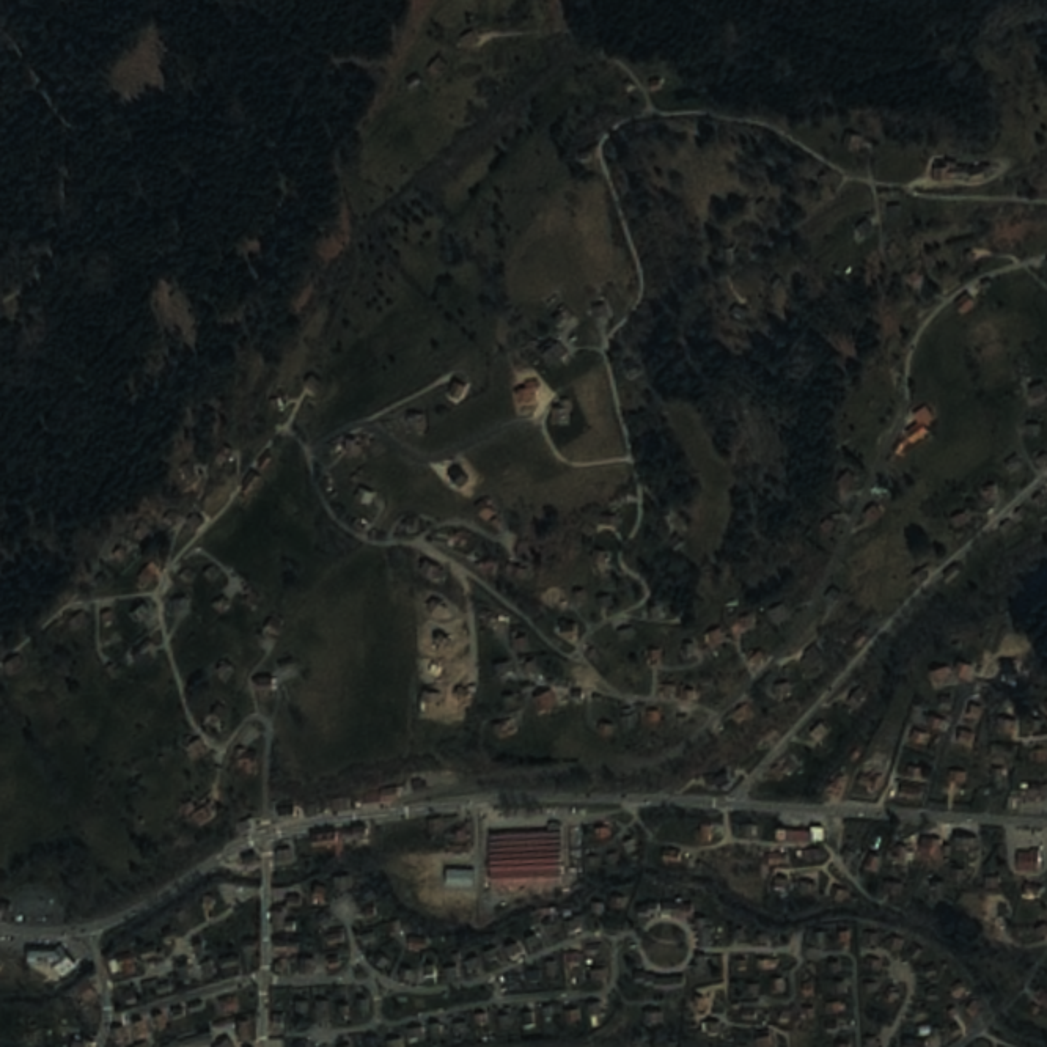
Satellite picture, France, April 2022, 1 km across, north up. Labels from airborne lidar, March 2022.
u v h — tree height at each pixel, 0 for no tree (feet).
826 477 90
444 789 0
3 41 103
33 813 0
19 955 0
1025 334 0
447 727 0
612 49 79
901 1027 0
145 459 90
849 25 75
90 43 83
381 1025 0
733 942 0
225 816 54
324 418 0
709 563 44
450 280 31
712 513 0
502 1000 0
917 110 39
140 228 76
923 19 84
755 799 0
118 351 85
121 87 0
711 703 0
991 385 0
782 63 55
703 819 47
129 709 0
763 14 69
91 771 23
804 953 0
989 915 0
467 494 0
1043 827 0
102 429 82
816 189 40
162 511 22
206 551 0
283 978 0
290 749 0
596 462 0
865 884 0
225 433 21
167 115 66
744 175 32
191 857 45
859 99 57
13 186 56
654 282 20
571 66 20
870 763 0
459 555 0
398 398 0
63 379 84
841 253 0
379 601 0
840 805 0
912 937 53
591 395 0
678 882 35
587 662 0
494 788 42
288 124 33
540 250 0
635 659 28
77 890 43
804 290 73
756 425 0
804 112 48
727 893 27
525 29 0
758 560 38
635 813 0
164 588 0
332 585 0
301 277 107
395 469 0
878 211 0
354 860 51
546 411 0
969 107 43
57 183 69
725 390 50
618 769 0
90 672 0
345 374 0
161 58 55
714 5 80
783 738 0
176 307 0
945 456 0
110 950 29
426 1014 0
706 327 64
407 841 0
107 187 58
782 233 20
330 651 0
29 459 73
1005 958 62
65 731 26
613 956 0
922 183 0
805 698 22
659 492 38
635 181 42
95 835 0
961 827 0
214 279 46
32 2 84
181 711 27
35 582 111
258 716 0
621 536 0
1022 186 57
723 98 98
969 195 0
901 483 39
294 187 27
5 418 76
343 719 0
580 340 0
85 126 60
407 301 0
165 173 75
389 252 23
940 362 0
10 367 73
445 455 0
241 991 0
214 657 0
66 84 96
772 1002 0
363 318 0
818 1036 0
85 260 65
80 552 23
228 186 71
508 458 0
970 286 0
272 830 0
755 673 0
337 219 23
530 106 33
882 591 0
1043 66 69
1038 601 98
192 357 74
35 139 79
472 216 0
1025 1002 0
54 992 30
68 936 0
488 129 28
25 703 0
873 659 38
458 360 0
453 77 0
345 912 0
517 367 0
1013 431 0
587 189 0
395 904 26
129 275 58
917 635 58
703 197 0
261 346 41
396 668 0
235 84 64
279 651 0
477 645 0
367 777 24
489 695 0
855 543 0
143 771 0
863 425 0
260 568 0
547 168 0
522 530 0
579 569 0
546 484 0
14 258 63
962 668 0
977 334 0
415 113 0
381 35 83
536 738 0
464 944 47
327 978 0
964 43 56
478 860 0
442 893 0
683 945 21
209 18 70
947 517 25
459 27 0
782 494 25
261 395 24
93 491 94
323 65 49
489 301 26
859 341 42
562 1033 51
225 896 0
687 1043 21
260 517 0
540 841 0
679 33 78
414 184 23
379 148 0
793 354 90
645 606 0
